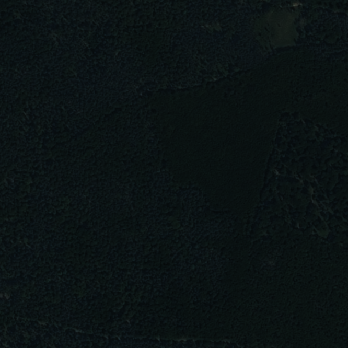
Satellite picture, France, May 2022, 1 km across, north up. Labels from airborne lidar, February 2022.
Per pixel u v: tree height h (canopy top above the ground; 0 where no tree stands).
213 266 28
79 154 29
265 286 22
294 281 18
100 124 23
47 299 30
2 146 29
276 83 22
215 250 24
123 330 28
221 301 26
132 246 28
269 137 19
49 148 22
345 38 24
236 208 19
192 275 25
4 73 29
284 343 23
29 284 32
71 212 35
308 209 28
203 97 16
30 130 32
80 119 30
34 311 29
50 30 28
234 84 13
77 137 30
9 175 28
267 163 16
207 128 21
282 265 22
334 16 20
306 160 30
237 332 24
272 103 19
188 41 32
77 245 28
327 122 9
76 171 31
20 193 33
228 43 29
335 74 17
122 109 27
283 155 10
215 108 20
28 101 30
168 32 28
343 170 34
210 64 30
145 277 26
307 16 30
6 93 27
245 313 21
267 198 29
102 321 27
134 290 34
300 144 32
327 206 31
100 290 26
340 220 30
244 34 29
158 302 25
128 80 34
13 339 29
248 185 19
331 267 23
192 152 21
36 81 32
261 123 21
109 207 29
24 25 16
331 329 25
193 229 28
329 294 22
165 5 27
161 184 32
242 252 25
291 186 28
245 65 25
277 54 17
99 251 29
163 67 31
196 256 20
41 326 10
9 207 29
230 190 20
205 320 25
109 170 30
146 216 26
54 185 31
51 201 31
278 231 29
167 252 24
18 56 31
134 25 23
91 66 30
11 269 32
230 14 32
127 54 30
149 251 24
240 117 18
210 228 23
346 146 31
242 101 13
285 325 23
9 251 29
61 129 27
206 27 30
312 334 24
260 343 23
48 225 29
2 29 25
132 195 29
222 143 23
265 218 32
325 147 28
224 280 27
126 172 26
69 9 25
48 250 25
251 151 19
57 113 35
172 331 26
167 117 19
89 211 32
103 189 28
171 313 25
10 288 34
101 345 31
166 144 19
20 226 28
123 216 27
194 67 28
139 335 26
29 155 33
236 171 18
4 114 30
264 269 22
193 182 14
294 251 21
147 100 16
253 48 28
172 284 26
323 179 32
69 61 33
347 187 32
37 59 32
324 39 30
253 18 29
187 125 19
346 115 10
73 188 34
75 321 27
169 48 27
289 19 0
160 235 30
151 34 19
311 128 27
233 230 26
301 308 23
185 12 23
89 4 30
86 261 29
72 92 35
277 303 22
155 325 26
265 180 25
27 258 29
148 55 28
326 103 12
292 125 30
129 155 26
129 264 26
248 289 21
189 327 25
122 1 30
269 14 0
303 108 16
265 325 23
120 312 32
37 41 32
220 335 22
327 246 25
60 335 31
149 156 29
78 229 29
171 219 35
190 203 30
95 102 29
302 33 27
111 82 29
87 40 17
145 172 27
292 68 22
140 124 26
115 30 29
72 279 28
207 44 28
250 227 14
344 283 23
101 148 27
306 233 24
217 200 20
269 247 22
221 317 25
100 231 27
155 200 30
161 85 20
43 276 33
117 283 33
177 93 12
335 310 23
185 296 26
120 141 28
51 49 33
